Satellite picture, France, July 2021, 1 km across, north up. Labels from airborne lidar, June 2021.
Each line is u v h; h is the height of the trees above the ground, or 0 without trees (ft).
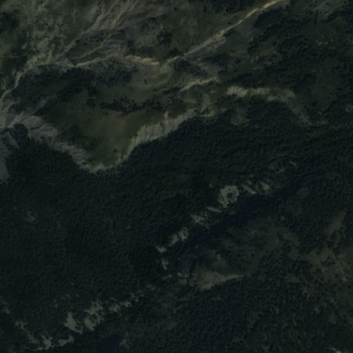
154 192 20
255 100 32
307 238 43
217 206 20
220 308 47
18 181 30
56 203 36
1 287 28
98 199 20
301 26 35
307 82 39
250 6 27
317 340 80
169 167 55
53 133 0
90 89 67
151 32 0
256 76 0
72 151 0
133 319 37
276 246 0
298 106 0
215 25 0
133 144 0
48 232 43
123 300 50
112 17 0
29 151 25
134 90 0
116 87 0
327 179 17
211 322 38
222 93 0
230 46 0
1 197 52
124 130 0
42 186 41
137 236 43
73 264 34
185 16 0
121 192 58
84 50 0
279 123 20
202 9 0
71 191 56
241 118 0
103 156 0
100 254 54
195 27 0
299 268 34
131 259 65
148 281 24
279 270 26
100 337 22
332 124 20
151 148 29
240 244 24
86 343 31
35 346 24
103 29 0
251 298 31
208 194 52
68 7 0
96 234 66
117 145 0
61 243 47
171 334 22
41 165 21
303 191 0
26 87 29
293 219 37
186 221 41
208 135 45
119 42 0
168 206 31
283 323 74
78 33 0
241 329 40
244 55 0
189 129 27
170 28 0
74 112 0
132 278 35
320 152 52
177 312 22
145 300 51
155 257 62
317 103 30
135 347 33
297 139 40
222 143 40
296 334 22
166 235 51
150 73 0
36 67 0
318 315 50
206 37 0
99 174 28
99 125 0
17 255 26
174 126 0
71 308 19
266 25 41
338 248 43
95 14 0
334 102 35
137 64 0
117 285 38
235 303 26
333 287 18
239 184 31
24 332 31
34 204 34
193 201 27
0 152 0
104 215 35
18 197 42
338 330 73
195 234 39
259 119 27
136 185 25
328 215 37
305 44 45
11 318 26
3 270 66
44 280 30
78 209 52
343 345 53
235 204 28
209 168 27
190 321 34
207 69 0
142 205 44
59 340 24
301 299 66
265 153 23
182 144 45
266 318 62
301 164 32
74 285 21
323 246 33
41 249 34
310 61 38
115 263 40
